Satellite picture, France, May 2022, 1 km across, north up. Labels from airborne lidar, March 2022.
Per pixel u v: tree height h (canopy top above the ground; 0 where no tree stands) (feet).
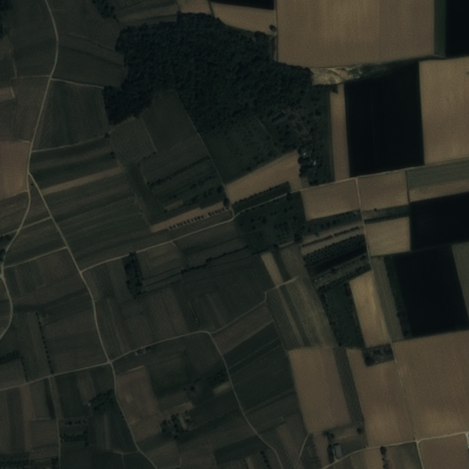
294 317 0
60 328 0
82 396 0
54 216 0
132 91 38
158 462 0
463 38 0
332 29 0
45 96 0
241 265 0
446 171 0
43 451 0
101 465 0
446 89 0
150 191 0
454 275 0
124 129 0
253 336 0
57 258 0
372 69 0
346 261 0
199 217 23
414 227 0
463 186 0
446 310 0
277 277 0
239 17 0
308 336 0
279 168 0
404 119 0
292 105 36
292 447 0
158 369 0
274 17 0
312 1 0
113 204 0
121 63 0
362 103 0
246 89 55
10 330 0
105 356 0
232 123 55
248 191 0
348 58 0
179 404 0
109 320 0
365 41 0
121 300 0
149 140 0
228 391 0
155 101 0
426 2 0
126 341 0
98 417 0
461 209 0
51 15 0
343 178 0
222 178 0
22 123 0
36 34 0
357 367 0
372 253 0
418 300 0
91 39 0
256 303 0
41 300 0
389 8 0
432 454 0
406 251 0
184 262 0
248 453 0
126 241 0
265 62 67
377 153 0
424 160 0
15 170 0
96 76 0
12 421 0
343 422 0
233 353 0
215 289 0
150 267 0
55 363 0
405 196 0
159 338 0
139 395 0
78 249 0
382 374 0
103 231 0
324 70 0
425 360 0
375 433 0
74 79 0
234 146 0
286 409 0
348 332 0
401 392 0
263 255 0
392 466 0
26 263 0
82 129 0
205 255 0
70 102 0
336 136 0
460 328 0
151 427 0
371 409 0
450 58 0
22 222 0
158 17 0
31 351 0
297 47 0
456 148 0
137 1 0
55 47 0
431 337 0
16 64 0
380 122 0
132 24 0
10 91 0
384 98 0
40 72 0
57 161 0
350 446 0
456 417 0
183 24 64
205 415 0
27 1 0
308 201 0
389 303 0
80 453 0
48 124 0
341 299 0
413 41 0
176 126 0
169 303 0
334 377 0
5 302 0
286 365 0
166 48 57
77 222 0
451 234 0
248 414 0
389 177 0
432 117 0
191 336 0
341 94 0
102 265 0
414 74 0
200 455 0
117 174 0
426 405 0
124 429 0
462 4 0
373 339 0
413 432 0
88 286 0
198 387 0
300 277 0
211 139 0
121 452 0
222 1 0
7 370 0
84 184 0
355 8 0
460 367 0
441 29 0
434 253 0
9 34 0
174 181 0
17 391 0
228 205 34
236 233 0
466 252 0
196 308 0
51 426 0
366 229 0
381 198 0
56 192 0
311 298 0
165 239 0
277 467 0
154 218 0
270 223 0
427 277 0
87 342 0
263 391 0
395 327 0
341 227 0
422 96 0
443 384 0
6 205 0
